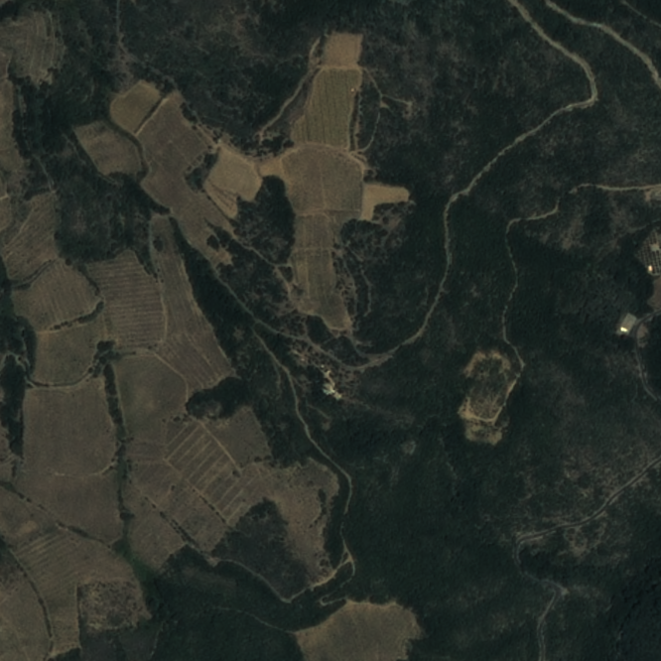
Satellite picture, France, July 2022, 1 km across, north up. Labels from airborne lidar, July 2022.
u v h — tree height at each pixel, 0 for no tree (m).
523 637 10
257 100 6
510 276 10
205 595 6
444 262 9
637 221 6
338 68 0
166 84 7
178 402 0
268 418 8
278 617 7
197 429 0
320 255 0
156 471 0
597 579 7
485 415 0
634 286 13
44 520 0
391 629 0
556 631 7
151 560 0
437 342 6
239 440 0
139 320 0
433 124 7
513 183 9
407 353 6
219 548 6
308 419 9
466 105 6
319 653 0
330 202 0
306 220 0
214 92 6
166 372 0
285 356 11
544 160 7
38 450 0
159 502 0
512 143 8
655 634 6
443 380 7
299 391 7
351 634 0
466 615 6
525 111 7
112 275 0
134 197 8
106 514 0
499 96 7
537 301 14
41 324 0
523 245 19
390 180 8
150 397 0
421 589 8
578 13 14
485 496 6
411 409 6
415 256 8
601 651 10
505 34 6
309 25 7
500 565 8
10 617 0
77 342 0
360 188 0
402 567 7
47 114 11
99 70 10
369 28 6
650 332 7
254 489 0
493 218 13
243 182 0
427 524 8
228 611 7
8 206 0
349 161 0
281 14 12
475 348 7
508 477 6
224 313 8
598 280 8
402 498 10
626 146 6
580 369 9
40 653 0
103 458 0
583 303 7
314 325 7
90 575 0
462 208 12
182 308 0
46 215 0
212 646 10
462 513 17
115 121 0
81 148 7
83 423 0
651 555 7
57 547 0
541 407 8
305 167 0
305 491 0
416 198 7
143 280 0
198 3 0
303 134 0
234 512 0
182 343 0
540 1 6
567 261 16
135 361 0
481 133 9
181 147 0
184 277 0
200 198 0
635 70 7
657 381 9
